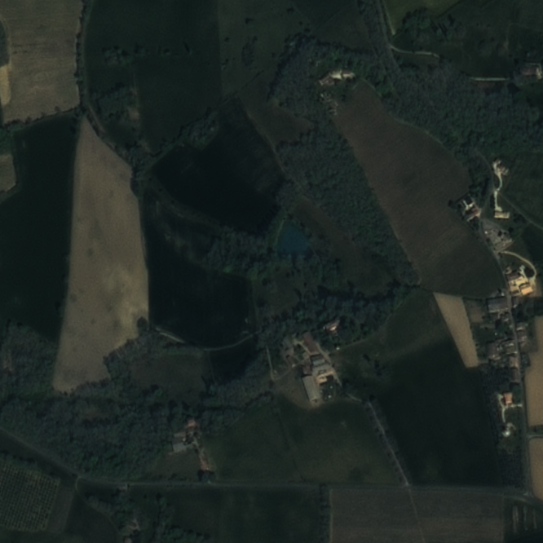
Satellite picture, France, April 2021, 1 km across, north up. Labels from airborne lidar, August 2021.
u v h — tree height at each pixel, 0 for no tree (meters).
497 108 22
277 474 0
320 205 26
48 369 17
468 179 0
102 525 0
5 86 0
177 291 0
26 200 0
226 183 0
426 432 0
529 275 10
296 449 0
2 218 0
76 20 0
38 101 0
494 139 17
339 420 0
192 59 0
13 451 0
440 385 0
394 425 0
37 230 0
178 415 19
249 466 0
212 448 0
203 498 0
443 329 0
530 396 0
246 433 0
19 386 21
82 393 19
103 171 0
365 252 14
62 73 0
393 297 12
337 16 0
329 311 26
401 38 0
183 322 0
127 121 14
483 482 0
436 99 21
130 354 18
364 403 12
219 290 0
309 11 0
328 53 20
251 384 25
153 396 16
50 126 0
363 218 20
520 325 0
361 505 0
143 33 0
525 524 0
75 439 11
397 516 0
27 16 0
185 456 0
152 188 0
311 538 0
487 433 0
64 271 0
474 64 0
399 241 11
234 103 0
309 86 17
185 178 0
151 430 24
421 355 0
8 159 0
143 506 0
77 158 0
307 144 8
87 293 0
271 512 0
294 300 0
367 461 0
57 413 18
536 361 0
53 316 0
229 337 0
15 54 0
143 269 0
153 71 0
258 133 0
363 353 0
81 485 0
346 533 0
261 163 0
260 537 0
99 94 16
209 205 0
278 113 0
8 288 0
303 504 0
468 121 21
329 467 0
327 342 17
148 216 0
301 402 0
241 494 0
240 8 0
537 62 0
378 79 13
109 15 0
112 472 16
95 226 0
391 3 0
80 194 0
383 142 0
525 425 0
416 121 18
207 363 0
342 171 19
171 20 0
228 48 0
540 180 0
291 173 20
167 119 0
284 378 0
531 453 0
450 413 0
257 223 0
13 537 0
